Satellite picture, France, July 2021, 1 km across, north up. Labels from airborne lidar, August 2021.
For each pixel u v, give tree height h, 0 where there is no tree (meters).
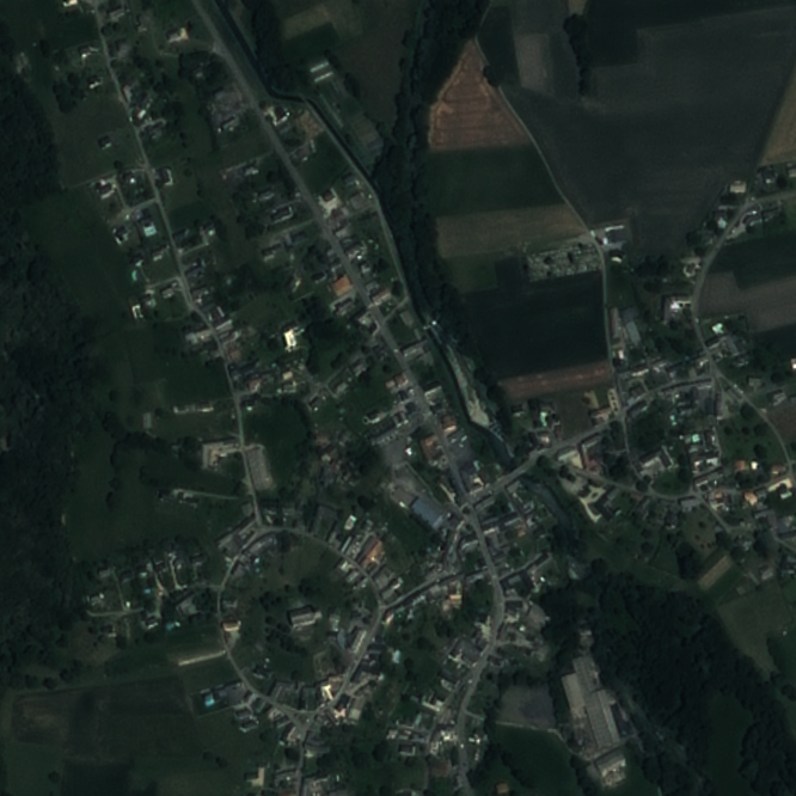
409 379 0
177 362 0
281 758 0
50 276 20
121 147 0
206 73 7
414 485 0
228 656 0
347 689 0
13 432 18
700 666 22
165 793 0
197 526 0
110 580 9
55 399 23
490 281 0
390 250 0
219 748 0
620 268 6
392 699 0
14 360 20
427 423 0
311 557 0
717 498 0
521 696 0
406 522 0
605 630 24
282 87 20
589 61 15
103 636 9
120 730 0
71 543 17
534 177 0
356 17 0
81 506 0
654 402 8
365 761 16
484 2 26
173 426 0
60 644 12
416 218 20
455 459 0
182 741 0
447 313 21
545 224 0
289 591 12
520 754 0
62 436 21
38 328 22
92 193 0
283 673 0
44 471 18
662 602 21
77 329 26
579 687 0
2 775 18
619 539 9
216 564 0
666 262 12
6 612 21
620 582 11
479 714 0
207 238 0
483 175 0
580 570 0
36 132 11
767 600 0
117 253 0
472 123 0
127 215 0
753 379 0
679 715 19
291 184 12
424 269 25
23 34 0
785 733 14
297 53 0
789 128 0
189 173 6
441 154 0
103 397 0
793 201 0
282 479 0
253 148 0
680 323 8
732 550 9
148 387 0
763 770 26
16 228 26
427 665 0
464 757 0
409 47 17
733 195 9
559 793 0
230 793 0
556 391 0
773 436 0
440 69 23
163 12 0
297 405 13
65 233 0
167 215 0
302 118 0
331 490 10
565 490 0
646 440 7
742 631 0
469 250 0
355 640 0
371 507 8
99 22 0
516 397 0
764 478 8
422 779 0
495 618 0
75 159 0
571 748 10
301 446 5
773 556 0
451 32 7
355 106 0
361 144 0
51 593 22
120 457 20
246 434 0
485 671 8
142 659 0
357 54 0
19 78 11
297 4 0
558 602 20
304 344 0
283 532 6
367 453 7
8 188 25
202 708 0
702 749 26
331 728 6
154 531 0
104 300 0
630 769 0
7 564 24
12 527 25
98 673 0
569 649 12
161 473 0
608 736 0
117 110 0
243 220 12
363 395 0
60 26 0
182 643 0
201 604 11
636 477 7
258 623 0
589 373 0
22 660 23
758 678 17
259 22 20
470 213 0
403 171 21
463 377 0
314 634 0
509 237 0
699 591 0
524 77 0
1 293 24
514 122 0
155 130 0
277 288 10
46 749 0
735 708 0
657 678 22
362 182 0
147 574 7
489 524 0
